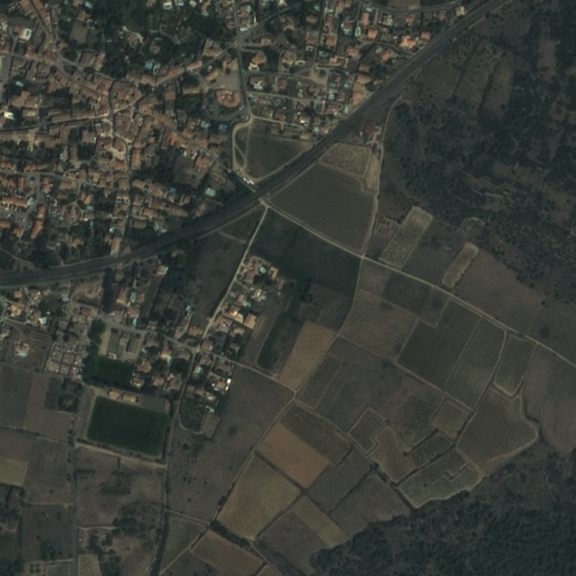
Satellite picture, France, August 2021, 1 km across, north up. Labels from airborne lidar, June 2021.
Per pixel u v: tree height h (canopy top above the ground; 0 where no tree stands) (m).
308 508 0
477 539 10
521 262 0
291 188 0
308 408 0
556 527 9
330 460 0
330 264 0
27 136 0
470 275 0
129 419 0
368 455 0
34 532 0
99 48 9
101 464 0
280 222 0
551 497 0
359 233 0
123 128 0
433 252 0
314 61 0
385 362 0
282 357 0
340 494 0
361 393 0
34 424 0
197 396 7
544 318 0
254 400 0
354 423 0
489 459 0
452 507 0
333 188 0
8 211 0
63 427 0
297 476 0
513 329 0
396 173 0
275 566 0
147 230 14
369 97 0
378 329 0
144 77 0
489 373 0
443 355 0
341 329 0
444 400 0
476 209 8
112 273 20
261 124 0
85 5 7
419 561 7
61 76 0
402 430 0
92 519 0
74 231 13
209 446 0
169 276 13
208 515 0
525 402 0
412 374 0
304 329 0
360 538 11
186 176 0
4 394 0
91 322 0
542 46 0
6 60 0
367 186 0
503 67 0
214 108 0
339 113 0
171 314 15
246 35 0
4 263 9
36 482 0
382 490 0
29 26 0
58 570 0
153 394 17
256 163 0
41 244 10
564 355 0
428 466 0
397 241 0
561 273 0
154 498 0
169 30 0
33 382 0
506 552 13
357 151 0
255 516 0
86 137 0
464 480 0
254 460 0
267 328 0
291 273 0
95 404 0
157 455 0
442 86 0
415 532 9
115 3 5
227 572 0
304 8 10
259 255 0
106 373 0
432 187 6
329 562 12
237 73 0
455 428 0
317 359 0
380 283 0
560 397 0
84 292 0
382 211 0
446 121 8
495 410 0
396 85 0
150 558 0
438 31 12
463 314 0
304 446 0
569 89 0
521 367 0
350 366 0
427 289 0
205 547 0
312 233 0
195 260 0
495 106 0
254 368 0
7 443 0
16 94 7
